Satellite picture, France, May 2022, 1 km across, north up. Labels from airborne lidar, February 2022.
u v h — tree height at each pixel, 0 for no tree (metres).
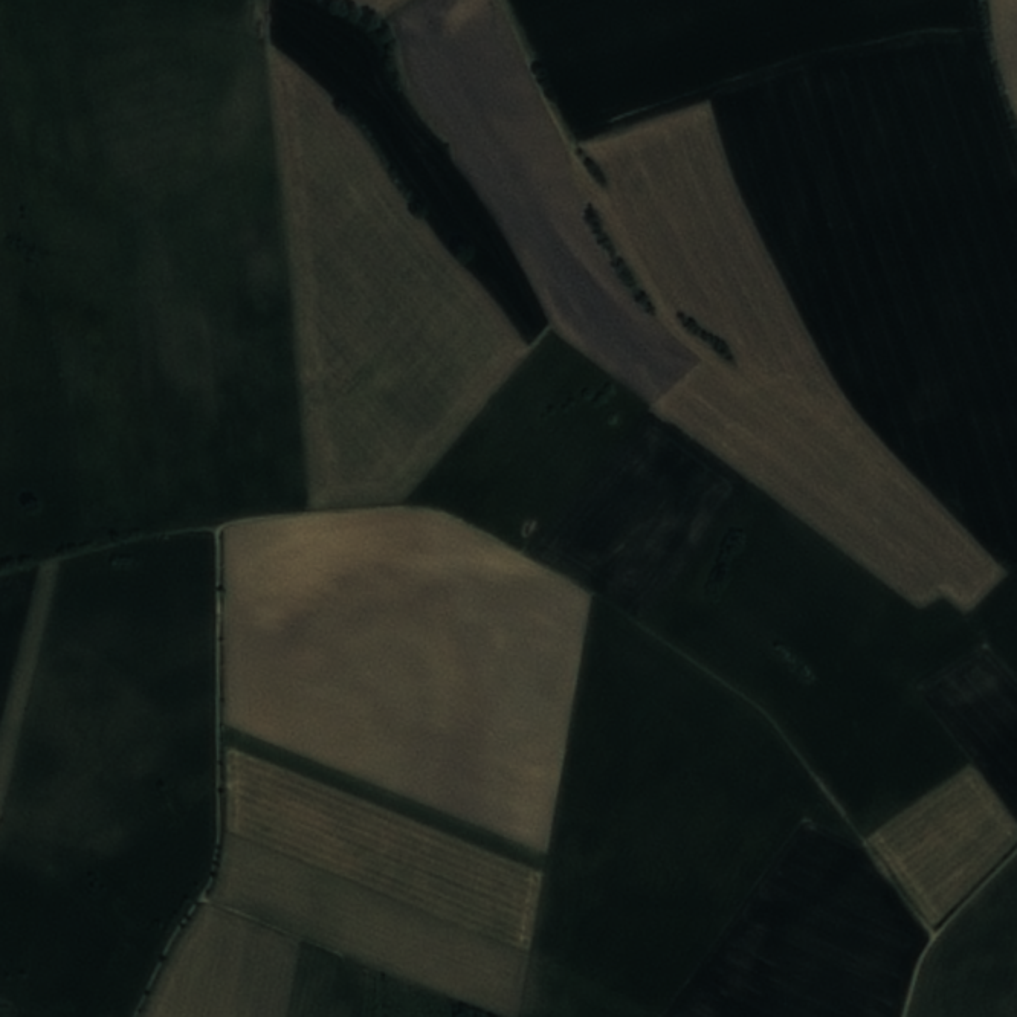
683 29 0
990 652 0
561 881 0
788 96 0
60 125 0
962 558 0
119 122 0
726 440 0
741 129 0
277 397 0
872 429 0
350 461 0
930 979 0
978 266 0
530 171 0
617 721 0
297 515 0
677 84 0
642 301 11
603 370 0
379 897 0
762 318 0
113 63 0
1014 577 0
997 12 0
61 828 0
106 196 0
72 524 0
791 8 0
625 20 0
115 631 0
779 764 0
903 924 0
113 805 0
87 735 0
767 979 0
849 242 0
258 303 0
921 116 0
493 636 0
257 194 0
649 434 0
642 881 0
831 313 0
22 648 0
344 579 0
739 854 0
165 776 0
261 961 0
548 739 0
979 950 0
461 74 0
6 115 0
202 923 0
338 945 0
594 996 0
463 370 0
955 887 0
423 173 0
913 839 0
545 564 0
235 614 0
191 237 0
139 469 0
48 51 0
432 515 0
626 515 0
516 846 0
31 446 0
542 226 0
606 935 0
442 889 0
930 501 0
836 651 0
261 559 0
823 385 0
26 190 0
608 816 0
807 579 0
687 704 0
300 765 0
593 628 0
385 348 0
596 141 0
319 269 0
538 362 0
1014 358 0
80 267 0
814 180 0
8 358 0
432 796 0
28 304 0
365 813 0
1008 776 0
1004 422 0
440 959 0
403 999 0
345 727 0
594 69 0
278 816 0
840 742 0
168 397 0
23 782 0
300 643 0
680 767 0
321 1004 0
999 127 0
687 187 0
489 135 0
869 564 0
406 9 0
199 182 0
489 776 0
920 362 0
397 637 0
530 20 0
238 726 0
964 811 0
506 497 0
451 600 0
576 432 0
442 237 0
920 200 0
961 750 0
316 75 0
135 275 0
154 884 0
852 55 0
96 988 0
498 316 0
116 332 0
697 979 0
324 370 0
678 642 0
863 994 0
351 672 0
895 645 0
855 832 0
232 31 0
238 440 0
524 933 0
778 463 0
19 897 0
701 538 0
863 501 0
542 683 0
